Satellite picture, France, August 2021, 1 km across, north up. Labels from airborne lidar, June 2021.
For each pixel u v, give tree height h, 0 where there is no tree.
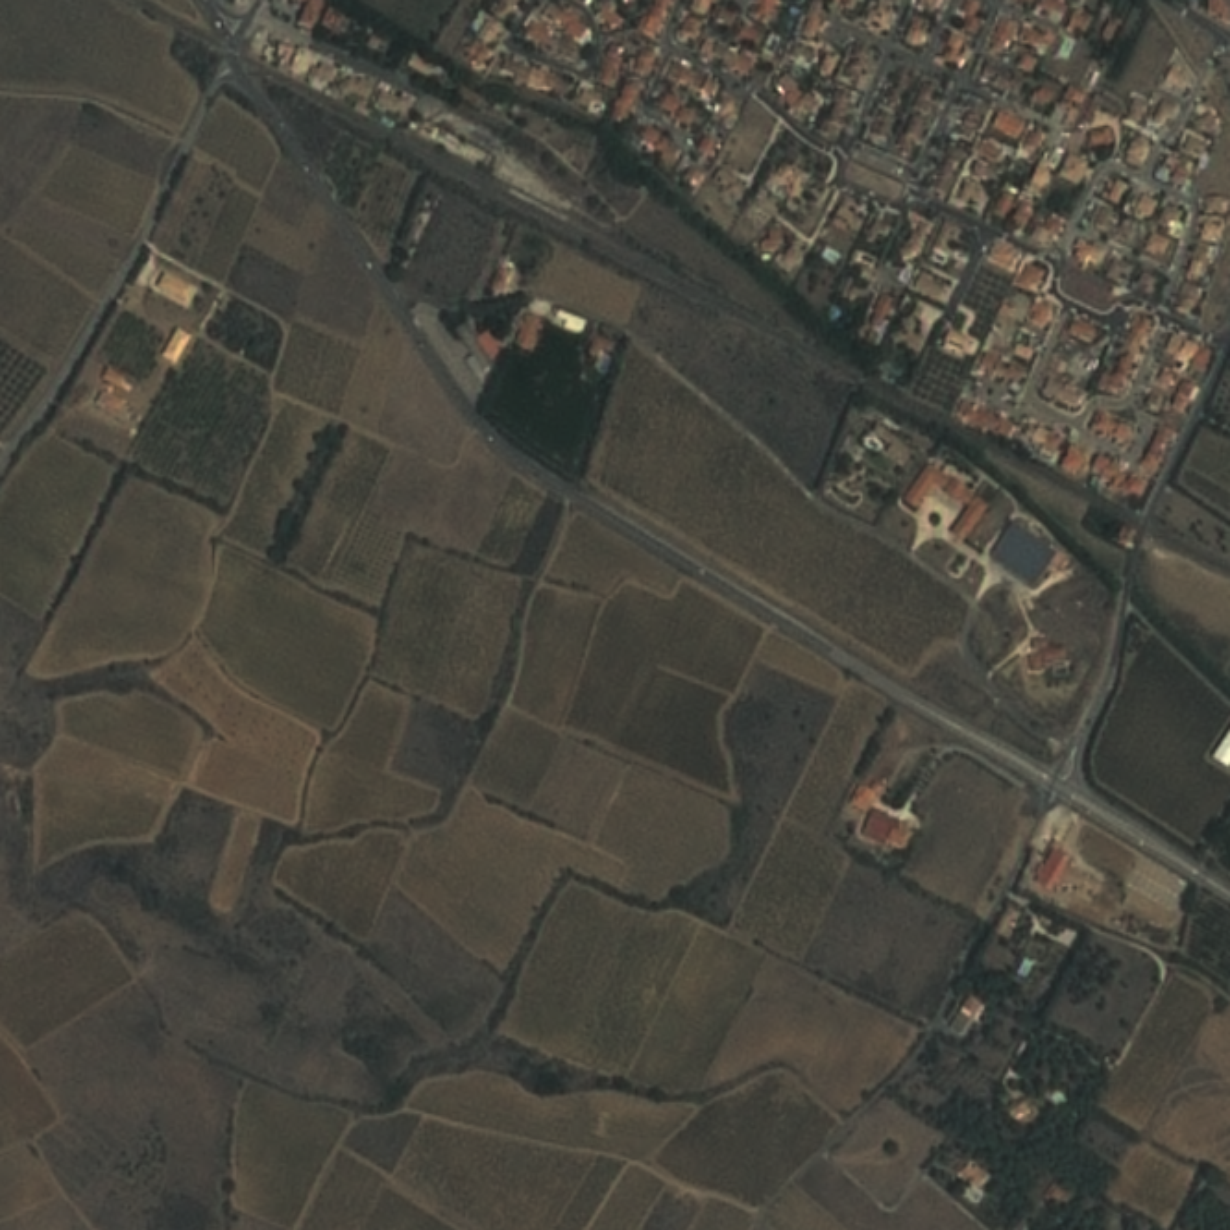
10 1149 0
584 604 0
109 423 0
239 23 0
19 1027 0
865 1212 0
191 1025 0
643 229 0
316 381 0
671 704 0
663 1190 0
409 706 0
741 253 6
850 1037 0
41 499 0
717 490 0
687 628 0
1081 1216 12
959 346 0
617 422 0
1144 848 0
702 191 0
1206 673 9
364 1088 0
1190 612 0
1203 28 0
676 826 0
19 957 0
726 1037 0
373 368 0
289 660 0
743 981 0
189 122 0
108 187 0
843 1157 0
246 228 0
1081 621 0
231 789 0
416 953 0
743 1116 0
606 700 0
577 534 0
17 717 0
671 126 0
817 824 0
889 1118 0
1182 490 7
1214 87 0
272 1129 0
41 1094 0
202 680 0
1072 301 0
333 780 0
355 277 0
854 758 0
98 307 0
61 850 0
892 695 0
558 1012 0
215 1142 0
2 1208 0
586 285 0
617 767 0
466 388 0
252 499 0
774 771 0
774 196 0
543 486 0
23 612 0
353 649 0
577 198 0
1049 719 0
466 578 0
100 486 0
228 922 0
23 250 0
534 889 0
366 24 13
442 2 0
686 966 0
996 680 0
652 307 0
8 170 0
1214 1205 10
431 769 0
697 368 0
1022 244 0
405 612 0
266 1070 0
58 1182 0
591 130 6
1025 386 0
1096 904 0
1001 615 0
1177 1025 0
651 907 8
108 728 0
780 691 0
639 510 0
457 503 0
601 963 0
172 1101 0
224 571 0
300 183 0
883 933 0
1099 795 6
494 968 6
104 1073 0
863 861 9
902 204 0
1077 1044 8
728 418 0
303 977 0
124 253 0
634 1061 0
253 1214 0
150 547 0
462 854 0
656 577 0
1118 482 0
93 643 0
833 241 0
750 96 0
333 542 0
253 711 0
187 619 0
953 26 6
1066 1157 12
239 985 0
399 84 0
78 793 0
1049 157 0
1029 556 0
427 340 0
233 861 0
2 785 0
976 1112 11
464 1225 0
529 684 0
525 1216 0
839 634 0
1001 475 6
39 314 0
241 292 0
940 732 0
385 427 0
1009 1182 13
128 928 0
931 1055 6
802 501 0
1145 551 0
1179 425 0
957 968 6
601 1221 0
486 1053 0
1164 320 0
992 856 0
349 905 0
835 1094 0
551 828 6
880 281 0
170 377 8
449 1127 0
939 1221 0
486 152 0
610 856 0
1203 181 0
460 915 0
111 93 0
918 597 0
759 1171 0
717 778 0
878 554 0
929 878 0
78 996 0
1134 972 0
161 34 0
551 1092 11
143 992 0
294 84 0
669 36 0
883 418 0
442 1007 0
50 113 0
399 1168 0
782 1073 0
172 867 0
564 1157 0
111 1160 0
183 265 0
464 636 0
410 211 11
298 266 0
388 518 0
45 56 0
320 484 6
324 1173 0
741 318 0
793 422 0
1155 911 0
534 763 0
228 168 0
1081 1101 15
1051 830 0
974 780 0
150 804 0
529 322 0
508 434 6
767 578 0
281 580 0
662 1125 0
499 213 7
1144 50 0
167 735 0
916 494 0
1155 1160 0
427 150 0
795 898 0
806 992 0
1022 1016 11
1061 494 0
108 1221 0
